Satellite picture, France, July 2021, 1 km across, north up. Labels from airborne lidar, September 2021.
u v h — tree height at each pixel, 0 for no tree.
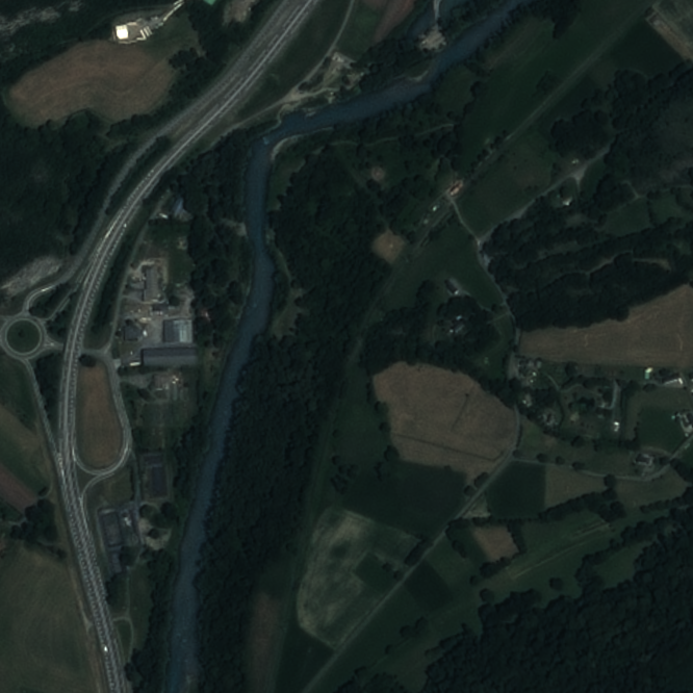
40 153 11
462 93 0
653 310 0
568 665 33
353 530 0
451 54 0
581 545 0
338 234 8
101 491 0
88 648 0
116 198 12
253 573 17
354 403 0
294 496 18
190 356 0
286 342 19
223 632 14
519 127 0
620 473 0
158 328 0
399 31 14
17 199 6
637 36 0
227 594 16
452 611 0
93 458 0
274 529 23
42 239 5
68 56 0
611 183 16
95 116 10
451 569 0
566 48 0
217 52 11
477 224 0
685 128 0
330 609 0
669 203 0
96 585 0
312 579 0
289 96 0
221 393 0
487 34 0
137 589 0
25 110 0
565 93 0
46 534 9
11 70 12
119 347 0
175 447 8
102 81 0
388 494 0
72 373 0
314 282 7
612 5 0
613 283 9
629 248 12
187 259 0
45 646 0
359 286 17
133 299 0
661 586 25
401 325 6
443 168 15
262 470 30
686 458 0
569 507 14
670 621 21
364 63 12
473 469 0
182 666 0
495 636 25
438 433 0
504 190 0
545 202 15
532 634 21
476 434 0
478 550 0
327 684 0
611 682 19
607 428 0
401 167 0
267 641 0
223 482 29
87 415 0
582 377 12
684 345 0
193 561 0
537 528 0
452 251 0
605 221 12
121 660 0
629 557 0
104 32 10
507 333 0
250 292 0
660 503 10
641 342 0
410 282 0
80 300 0
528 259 13
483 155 10
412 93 0
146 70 0
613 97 7
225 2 10
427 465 0
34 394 0
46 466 0
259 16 10
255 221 0
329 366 23
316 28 0
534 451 0
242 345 0
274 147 0
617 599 28
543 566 0
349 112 0
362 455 0
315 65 0
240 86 0
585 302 14
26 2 8
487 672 21
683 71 12
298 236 11
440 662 9
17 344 0
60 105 0
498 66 0
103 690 0
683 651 19
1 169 10
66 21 9
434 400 0
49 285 0
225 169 30
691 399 0
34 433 0
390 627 0
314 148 6
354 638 0
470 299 19
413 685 0
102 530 0
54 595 0
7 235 11
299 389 29
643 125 6
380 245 0
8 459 0
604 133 10
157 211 0
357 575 0
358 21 0
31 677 0
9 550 0
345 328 7
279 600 0
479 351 17
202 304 23
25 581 0
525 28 0
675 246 9
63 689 0
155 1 7
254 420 29
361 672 17
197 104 0
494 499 0
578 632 23
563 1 17
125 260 10
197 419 10
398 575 12
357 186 8
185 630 0
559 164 8
